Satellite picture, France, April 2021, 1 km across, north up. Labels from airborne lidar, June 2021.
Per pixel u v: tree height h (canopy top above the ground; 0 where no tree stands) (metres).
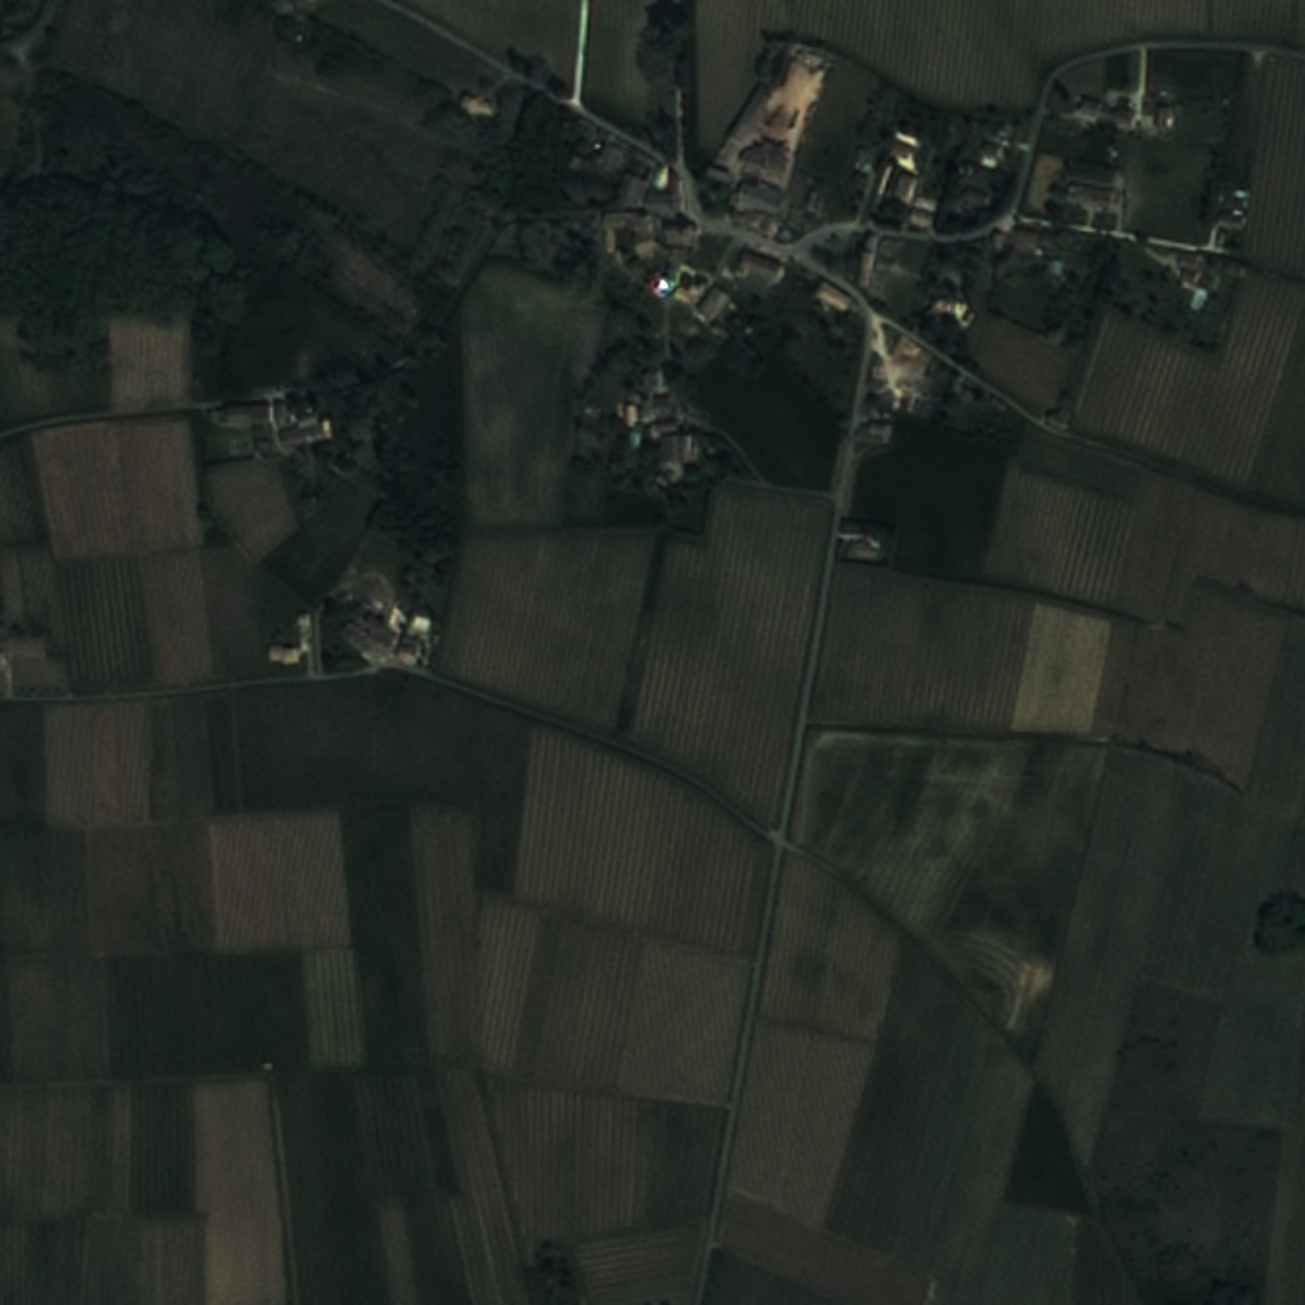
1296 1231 0
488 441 0
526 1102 0
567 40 0
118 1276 0
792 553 0
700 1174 0
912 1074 0
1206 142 0
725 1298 0
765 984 0
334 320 0
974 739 0
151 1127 0
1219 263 9
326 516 0
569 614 0
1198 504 0
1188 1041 0
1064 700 0
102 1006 0
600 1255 0
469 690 0
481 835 0
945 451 0
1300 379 0
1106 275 9
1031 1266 0
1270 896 0
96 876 0
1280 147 0
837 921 0
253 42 0
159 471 0
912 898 0
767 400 0
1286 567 0
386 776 0
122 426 0
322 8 0
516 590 0
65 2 0
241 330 0
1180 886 0
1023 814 0
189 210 8
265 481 0
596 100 0
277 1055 0
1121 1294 0
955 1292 0
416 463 8
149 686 0
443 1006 0
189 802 0
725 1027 0
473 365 0
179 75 0
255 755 0
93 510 0
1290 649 0
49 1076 0
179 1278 0
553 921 0
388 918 0
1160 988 0
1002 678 0
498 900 0
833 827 0
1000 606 0
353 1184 0
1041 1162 0
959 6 0
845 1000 0
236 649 0
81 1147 0
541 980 0
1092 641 0
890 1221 0
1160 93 0
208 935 0
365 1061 0
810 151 0
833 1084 0
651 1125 0
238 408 0
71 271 20
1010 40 0
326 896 0
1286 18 0
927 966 0
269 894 0
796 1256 0
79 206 23
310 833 0
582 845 0
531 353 0
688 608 0
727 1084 0
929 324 9
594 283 28
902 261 0
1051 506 0
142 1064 0
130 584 0
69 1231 0
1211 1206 0
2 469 0
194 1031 0
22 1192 0
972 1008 0
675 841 0
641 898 0
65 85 9
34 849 0
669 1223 0
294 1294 0
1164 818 0
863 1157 0
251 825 0
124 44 0
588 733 0
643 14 0
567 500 0
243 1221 0
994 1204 0
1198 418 0
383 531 8
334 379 16
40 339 17
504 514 0
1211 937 0
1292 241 0
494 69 0
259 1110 0
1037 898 0
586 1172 0
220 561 0
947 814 0
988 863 0
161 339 0
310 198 9
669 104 0
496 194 11
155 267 29
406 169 0
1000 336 0
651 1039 0
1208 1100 0
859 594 0
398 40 0
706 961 0
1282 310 0
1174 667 0
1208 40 0
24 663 0
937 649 0
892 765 0
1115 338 0
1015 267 11
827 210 0
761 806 0
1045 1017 0
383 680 0
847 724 0
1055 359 0
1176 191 0
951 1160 0
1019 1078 0
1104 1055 0
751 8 0
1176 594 0
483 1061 0
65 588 0
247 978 0
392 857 0
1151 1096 0
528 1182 0
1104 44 0
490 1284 0
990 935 0
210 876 0
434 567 7
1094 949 0
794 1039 0
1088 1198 0
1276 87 0
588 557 0
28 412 0
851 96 0
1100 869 0
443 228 17
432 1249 0
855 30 0
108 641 0
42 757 0
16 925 0
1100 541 0
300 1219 0
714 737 0
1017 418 0
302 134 0
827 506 0
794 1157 0
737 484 0
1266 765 0
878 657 0
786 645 0
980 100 0
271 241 9
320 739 0
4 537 0
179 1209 0
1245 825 0
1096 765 0
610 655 0
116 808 0
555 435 0
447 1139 0
